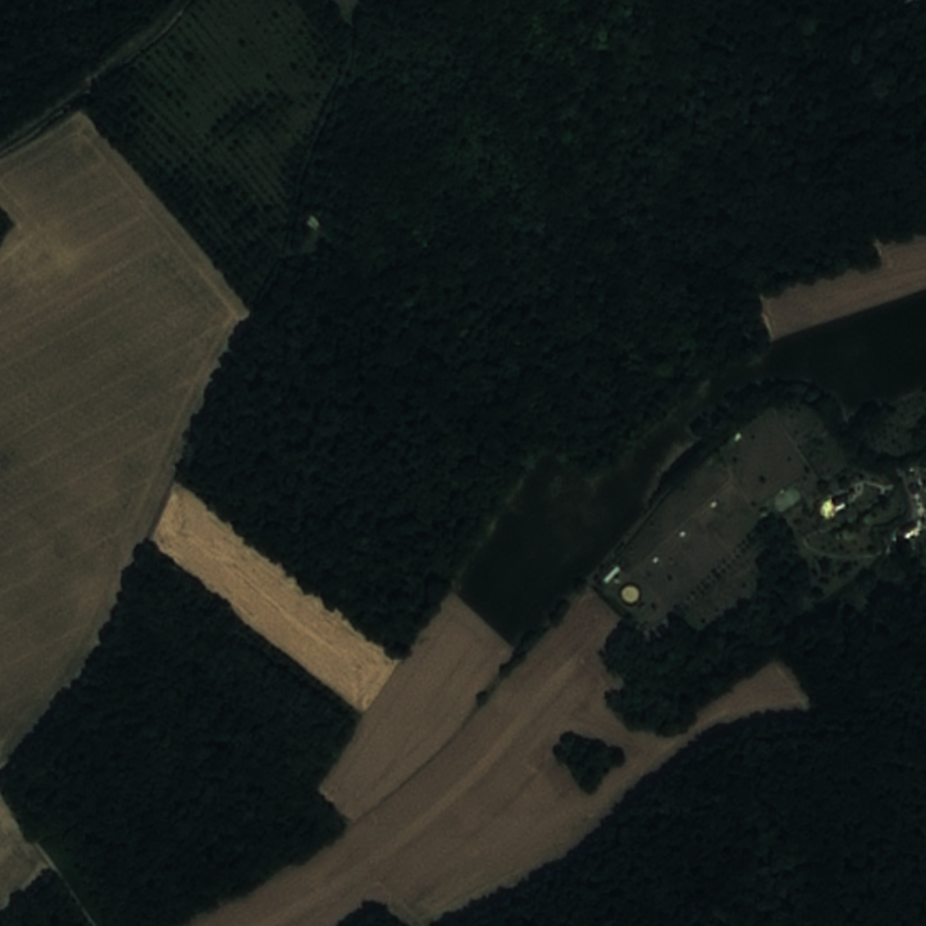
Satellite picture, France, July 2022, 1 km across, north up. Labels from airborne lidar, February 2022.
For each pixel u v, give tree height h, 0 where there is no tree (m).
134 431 0
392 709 0
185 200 9
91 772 19
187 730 19
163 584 22
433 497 23
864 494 0
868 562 0
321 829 19
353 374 24
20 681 0
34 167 0
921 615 23
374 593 21
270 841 21
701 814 24
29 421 0
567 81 20
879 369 0
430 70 16
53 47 23
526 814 0
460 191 14
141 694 19
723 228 30
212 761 23
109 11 18
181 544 0
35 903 13
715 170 22
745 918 21
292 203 6
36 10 21
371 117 18
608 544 0
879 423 22
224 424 23
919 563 11
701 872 22
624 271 23
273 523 24
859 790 28
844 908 28
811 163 27
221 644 21
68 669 0
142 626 18
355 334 24
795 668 19
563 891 26
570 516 0
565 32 17
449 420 22
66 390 0
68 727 20
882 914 27
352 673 0
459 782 0
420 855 0
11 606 0
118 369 0
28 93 24
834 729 27
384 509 19
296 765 20
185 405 0
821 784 25
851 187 35
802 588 21
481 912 19
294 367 24
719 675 29
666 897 27
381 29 18
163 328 0
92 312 0
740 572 0
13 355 0
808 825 28
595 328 19
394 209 19
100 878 18
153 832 23
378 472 21
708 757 10
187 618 22
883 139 30
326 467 19
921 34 29
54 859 0
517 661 11
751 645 26
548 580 0
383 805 0
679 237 26
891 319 0
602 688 0
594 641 0
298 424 21
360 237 20
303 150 7
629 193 23
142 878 19
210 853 13
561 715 0
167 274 0
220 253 11
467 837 0
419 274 20
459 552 19
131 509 0
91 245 0
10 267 0
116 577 0
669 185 28
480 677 0
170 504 0
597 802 0
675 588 0
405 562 22
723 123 26
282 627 0
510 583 0
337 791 0
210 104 0
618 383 11
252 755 23
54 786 11
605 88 21
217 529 0
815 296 0
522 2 18
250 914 0
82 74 18
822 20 8
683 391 20
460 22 16
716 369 13
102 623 0
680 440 0
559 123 23
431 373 23
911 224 26
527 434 24
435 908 0
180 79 0
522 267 16
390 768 0
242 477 24
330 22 19
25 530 0
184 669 21
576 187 18
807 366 0
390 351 27
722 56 20
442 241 19
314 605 0
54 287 0
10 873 0
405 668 0
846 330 0
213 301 0
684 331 18
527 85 15
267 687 21
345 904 0
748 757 23
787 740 25
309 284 23
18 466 0
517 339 16
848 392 0
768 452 0
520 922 31
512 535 0
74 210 0
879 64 34
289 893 0
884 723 28
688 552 0
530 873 0
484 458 19
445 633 0
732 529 0
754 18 26
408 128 17
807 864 17
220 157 0
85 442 0
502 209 14
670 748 0
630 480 0
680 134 25
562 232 23
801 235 33
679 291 21
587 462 18
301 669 8
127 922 18
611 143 16
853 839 26
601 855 27
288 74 0
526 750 0
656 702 16
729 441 7
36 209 0
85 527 0
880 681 24
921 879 28
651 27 24
